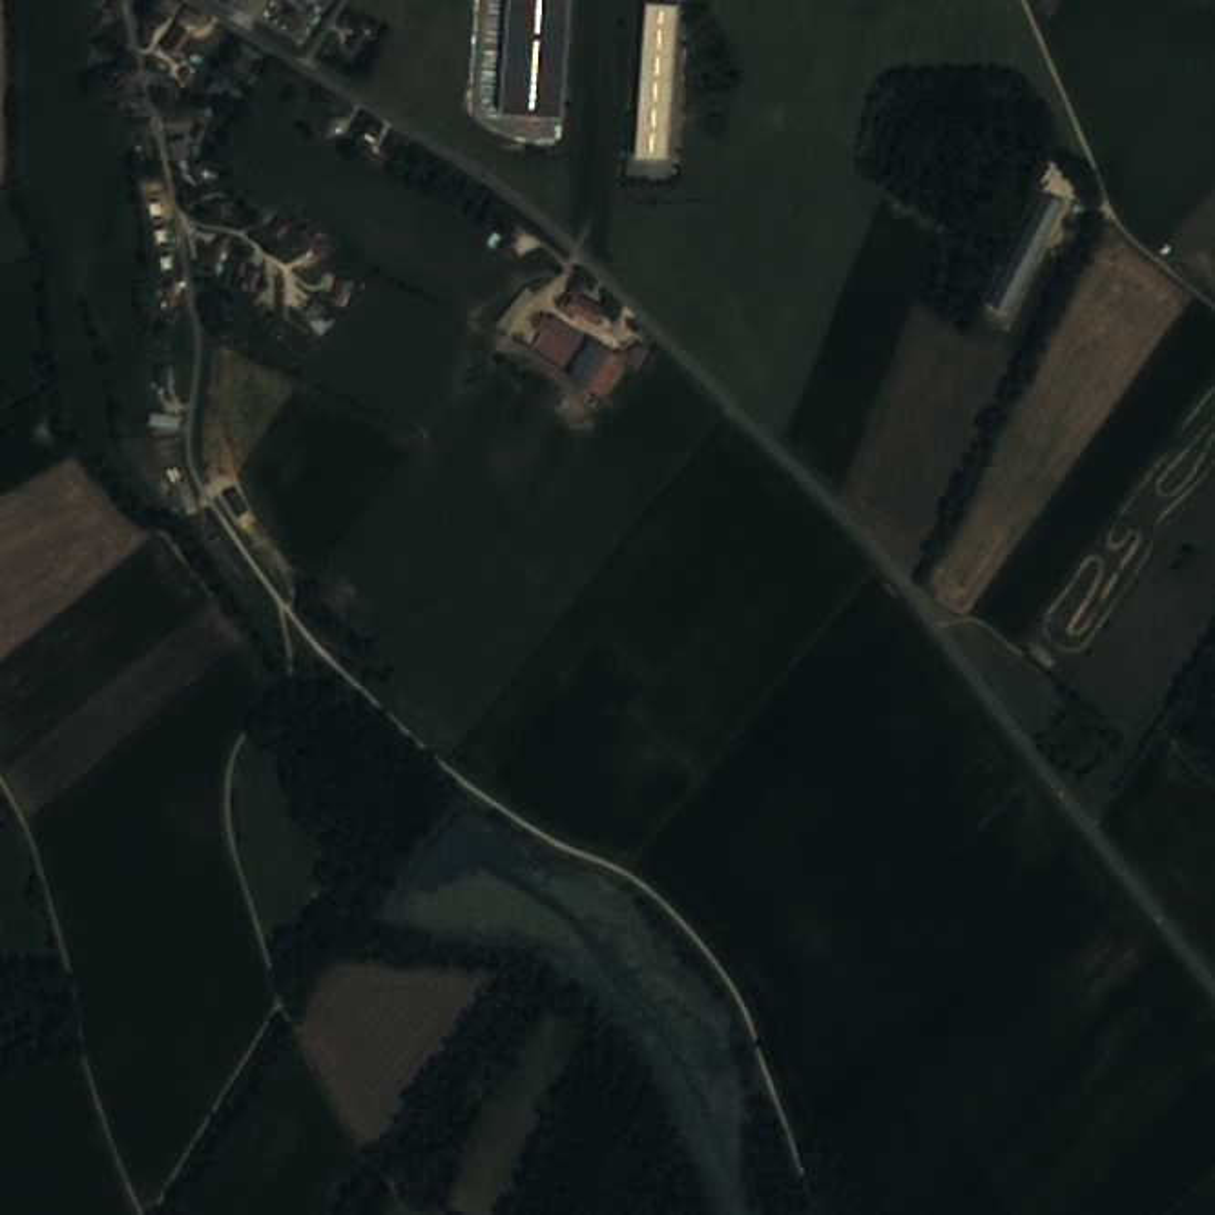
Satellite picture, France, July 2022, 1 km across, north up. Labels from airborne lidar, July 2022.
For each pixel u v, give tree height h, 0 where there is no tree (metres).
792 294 0
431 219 0
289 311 0
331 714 25
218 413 0
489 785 0
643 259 0
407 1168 13
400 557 0
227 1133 10
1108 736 11
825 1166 21
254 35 0
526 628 0
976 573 0
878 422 0
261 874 0
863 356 0
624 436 0
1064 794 0
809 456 0
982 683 0
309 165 0
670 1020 0
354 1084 0
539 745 0
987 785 0
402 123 0
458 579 0
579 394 0
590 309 0
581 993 17
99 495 0
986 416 13
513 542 0
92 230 0
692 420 0
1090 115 0
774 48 0
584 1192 9
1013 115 12
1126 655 0
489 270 0
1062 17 0
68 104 0
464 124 0
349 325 0
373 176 0
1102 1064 0
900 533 0
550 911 0
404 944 20
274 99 0
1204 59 0
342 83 0
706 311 0
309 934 15
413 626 0
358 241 0
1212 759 21
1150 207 0
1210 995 0
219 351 0
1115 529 0
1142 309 0
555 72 0
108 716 0
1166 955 0
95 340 9
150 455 0
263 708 13
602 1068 23
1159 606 0
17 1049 26
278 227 0
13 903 0
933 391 0
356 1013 0
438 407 0
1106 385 0
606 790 0
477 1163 0
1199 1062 0
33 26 0
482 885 0
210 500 0
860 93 0
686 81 0
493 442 0
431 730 0
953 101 13
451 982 0
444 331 0
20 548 0
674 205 0
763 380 0
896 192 17
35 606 0
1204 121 0
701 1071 0
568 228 0
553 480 0
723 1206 0
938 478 0
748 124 0
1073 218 0
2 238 0
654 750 0
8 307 0
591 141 0
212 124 0
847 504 0
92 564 0
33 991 28
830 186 0
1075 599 0
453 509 0
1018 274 0
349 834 22
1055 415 0
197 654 0
